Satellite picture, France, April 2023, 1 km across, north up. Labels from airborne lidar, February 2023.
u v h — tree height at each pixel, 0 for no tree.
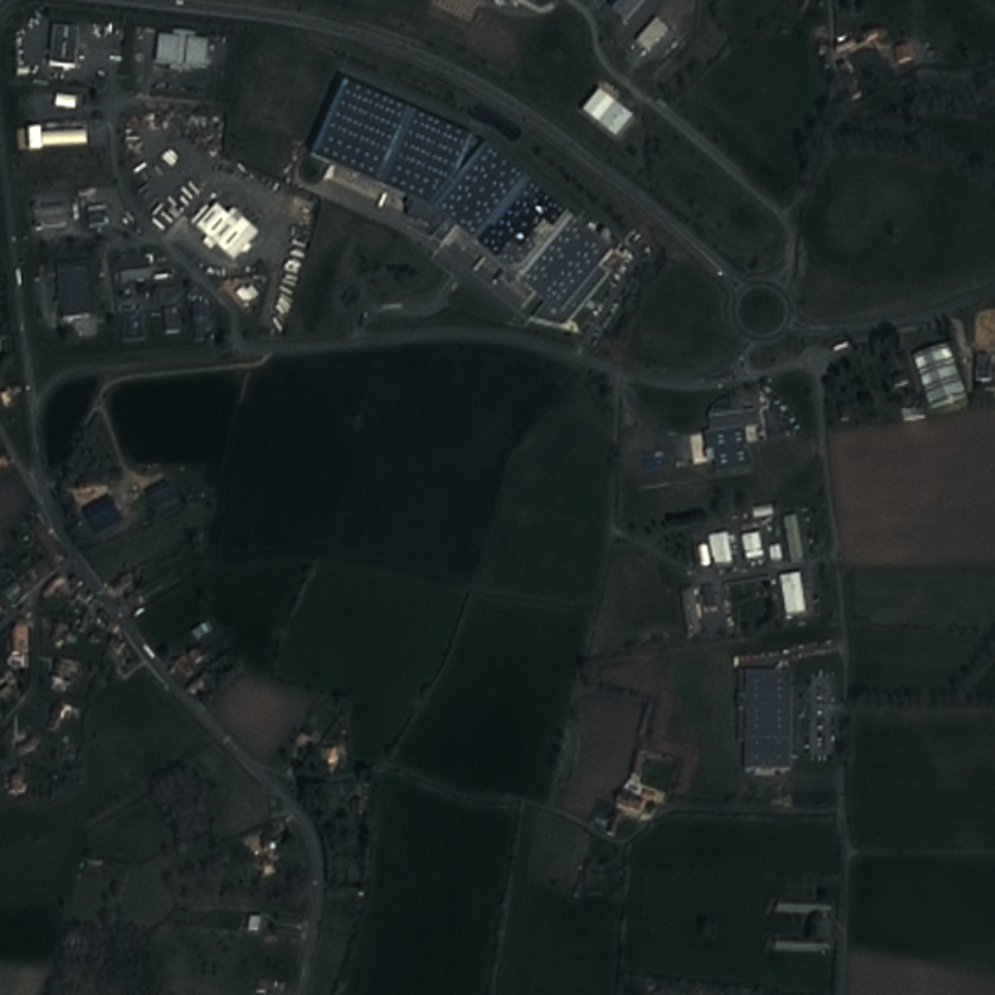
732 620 0
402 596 0
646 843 0
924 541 0
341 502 0
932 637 0
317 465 0
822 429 0
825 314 0
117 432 0
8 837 0
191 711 0
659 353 0
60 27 0
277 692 0
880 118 0
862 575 0
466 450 0
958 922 0
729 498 16
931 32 0
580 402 0
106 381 0
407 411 0
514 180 0
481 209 0
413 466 0
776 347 0
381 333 0
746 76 0
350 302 6
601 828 0
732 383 0
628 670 0
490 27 0
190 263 0
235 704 0
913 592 0
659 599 0
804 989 0
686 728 0
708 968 0
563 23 0
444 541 0
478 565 0
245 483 0
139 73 0
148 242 0
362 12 0
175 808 18
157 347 0
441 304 0
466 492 0
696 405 0
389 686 0
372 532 0
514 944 0
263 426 0
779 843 0
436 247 0
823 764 0
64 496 14
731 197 0
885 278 0
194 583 0
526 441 12
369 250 0
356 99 0
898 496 0
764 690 0
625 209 0
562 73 0
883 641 0
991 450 0
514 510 0
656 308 0
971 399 9
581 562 0
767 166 0
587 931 0
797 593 0
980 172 18
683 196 0
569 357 0
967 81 0
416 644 0
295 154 0
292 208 0
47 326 0
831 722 0
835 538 0
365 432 0
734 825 0
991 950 0
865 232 0
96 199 0
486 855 0
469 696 0
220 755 0
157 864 0
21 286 0
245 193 0
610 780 0
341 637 0
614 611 0
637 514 0
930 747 0
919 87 27
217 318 0
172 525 0
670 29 0
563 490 0
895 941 0
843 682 0
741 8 0
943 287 0
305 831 0
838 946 6
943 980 0
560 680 0
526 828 0
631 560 0
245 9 0
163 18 0
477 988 0
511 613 0
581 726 0
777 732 0
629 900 0
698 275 0
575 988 0
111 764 0
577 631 0
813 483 0
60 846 0
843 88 18
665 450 0
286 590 0
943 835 0
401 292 0
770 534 0
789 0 0
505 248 0
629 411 0
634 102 0
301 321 0
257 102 0
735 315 0
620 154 0
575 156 0
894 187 0
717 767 0
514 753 0
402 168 0
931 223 0
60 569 0
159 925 0
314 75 0
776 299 0
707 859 0
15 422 0
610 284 0
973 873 0
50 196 0
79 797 0
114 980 18
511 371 0
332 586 0
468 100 0
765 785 0
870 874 0
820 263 0
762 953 0
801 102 0
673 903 0
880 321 0
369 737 0
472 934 0
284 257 0
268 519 0
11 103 0
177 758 0
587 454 0
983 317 0
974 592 0
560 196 0
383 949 0
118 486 0
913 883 0
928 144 23
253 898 9
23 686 8
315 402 0
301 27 0
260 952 0
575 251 0
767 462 0
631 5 0
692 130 0
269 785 0
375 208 0
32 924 0
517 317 0
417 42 0
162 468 0
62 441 0
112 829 0
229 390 0
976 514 0
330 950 0
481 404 0
